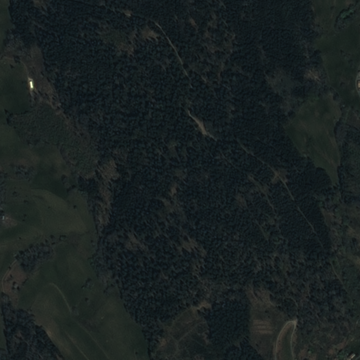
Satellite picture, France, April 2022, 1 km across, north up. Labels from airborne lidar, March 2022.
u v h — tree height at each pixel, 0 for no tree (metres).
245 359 38
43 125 7
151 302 22
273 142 20
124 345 0
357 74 0
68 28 22
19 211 0
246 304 33
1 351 13
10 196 0
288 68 26
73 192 20
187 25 16
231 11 22
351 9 13
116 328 0
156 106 10
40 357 25
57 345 0
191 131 23
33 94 0
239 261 22
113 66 24
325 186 19
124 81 39
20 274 0
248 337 39
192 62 29
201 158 22
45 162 0
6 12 0
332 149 0
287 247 31
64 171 0
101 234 27
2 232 0
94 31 23
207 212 19
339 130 23
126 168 17
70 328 0
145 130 34
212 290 31
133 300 28
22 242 0
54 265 0
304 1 21
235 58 23
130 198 24
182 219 20
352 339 0
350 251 19
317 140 0
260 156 22
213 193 19
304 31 19
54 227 0
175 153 0
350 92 0
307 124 0
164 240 21
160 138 26
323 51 0
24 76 0
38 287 0
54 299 0
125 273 29
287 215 25
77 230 0
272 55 23
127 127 29
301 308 31
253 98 25
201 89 29
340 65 0
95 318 0
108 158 32
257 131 20
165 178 27
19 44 26
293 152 13
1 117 0
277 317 0
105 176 26
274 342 0
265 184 25
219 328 38
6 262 0
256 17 16
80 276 0
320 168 0
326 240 25
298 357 6
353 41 0
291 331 0
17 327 10
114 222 31
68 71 24
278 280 13
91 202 20
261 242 19
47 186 0
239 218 18
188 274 19
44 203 0
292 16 18
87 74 29
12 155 0
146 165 21
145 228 26
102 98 18
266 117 19
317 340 0
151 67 28
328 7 0
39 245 0
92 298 0
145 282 12
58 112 12
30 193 0
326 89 25
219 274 32
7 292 0
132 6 24
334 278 37
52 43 32
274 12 19
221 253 21
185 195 17
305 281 22
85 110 33
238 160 11
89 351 0
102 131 21
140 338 0
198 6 17
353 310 6
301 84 22
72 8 19
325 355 0
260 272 30
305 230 30
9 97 0
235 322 37
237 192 13
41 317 0
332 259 33
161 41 19
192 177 18
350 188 18
